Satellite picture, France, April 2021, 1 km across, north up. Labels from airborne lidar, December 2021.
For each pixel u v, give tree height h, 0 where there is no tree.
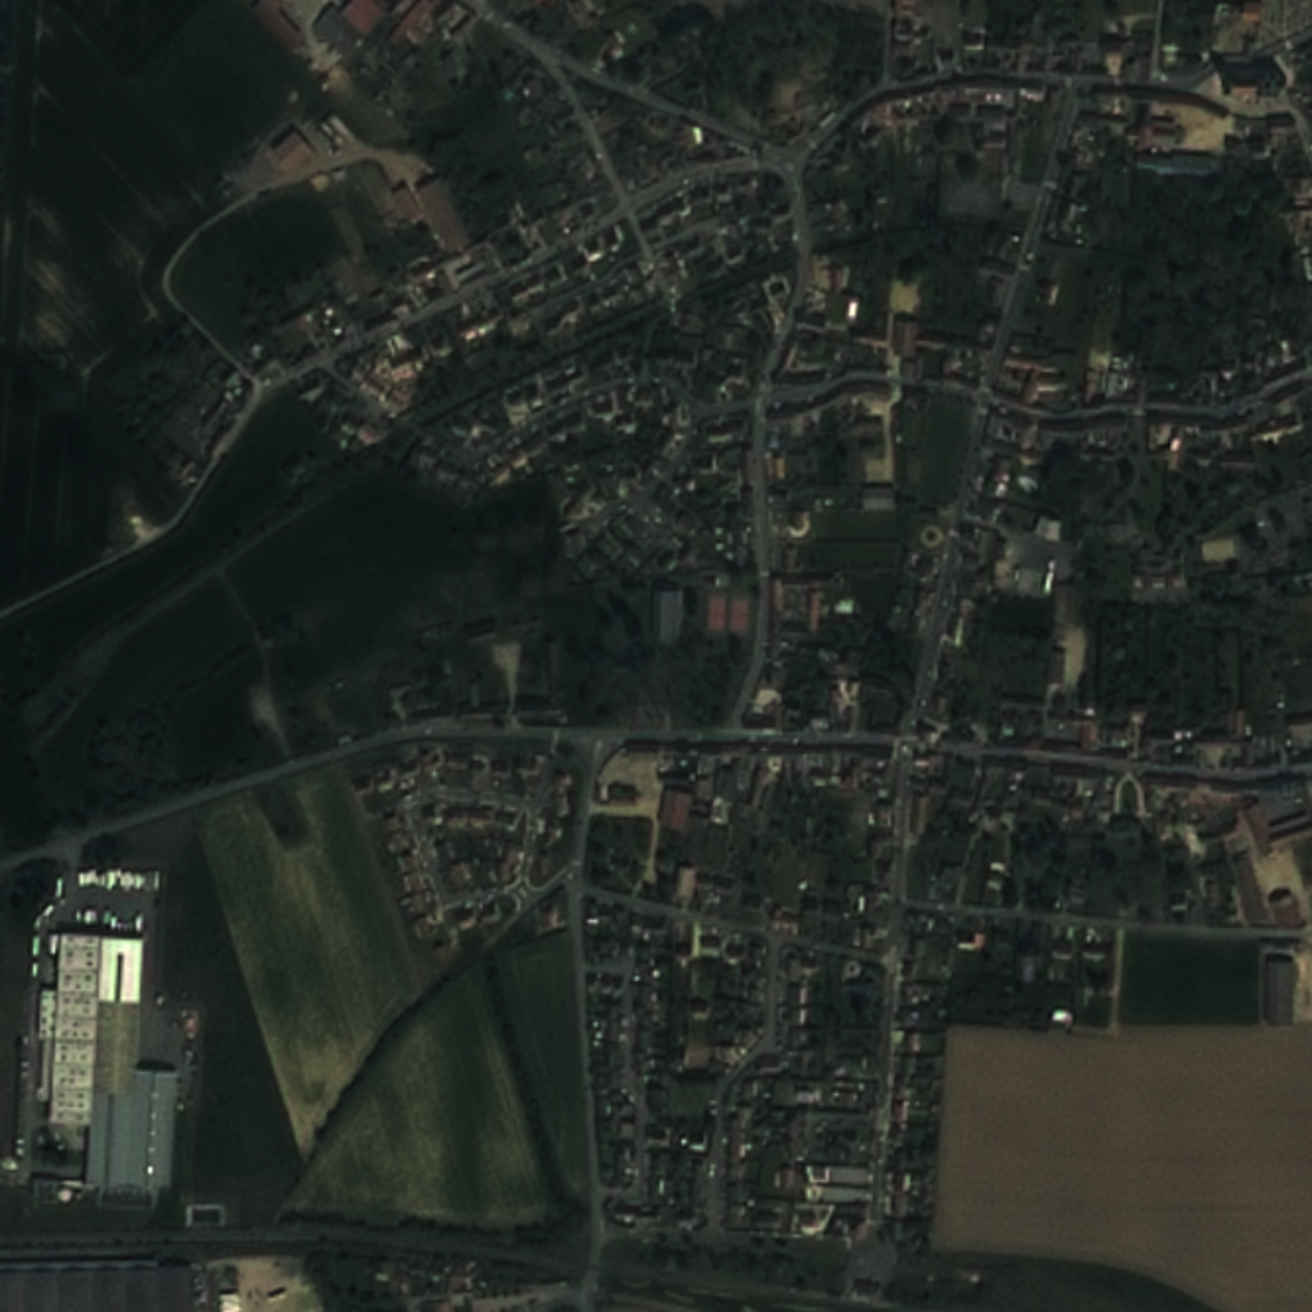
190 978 0
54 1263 0
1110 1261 0
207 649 0
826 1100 0
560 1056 0
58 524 0
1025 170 0
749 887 7
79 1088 0
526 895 0
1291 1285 0
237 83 0
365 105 0
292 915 0
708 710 15
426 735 0
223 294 0
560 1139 0
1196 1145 0
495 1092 0
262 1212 0
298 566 0
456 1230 6
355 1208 0
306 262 0
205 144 0
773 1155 0
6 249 0
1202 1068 0
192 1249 0
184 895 0
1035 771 0
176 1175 0
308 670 0
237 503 0
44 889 9
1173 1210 0
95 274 0
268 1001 0
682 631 6
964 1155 0
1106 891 0
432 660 0
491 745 0
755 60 13
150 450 6
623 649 0
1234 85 0
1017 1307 0
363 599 0
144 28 0
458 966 0
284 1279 0
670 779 0
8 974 0
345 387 0
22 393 0
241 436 0
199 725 0
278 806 0
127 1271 0
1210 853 0
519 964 0
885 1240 7
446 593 0
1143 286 15
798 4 20
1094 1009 0
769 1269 9
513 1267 7
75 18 0
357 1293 9
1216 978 0
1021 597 0
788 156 0
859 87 0
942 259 9
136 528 0
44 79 0
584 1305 0
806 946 0
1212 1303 0
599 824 8
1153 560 0
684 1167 9
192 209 0
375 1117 0
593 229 0
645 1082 0
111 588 0
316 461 7
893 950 0
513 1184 0
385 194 0
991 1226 0
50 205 0
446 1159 0
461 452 0
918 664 0
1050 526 0
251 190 0
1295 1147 0
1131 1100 0
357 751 0
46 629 0
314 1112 0
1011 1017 13
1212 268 26
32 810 0
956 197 0
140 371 0
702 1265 12
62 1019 0
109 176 0
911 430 0
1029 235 0
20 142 0
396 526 0
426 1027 0
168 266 0
